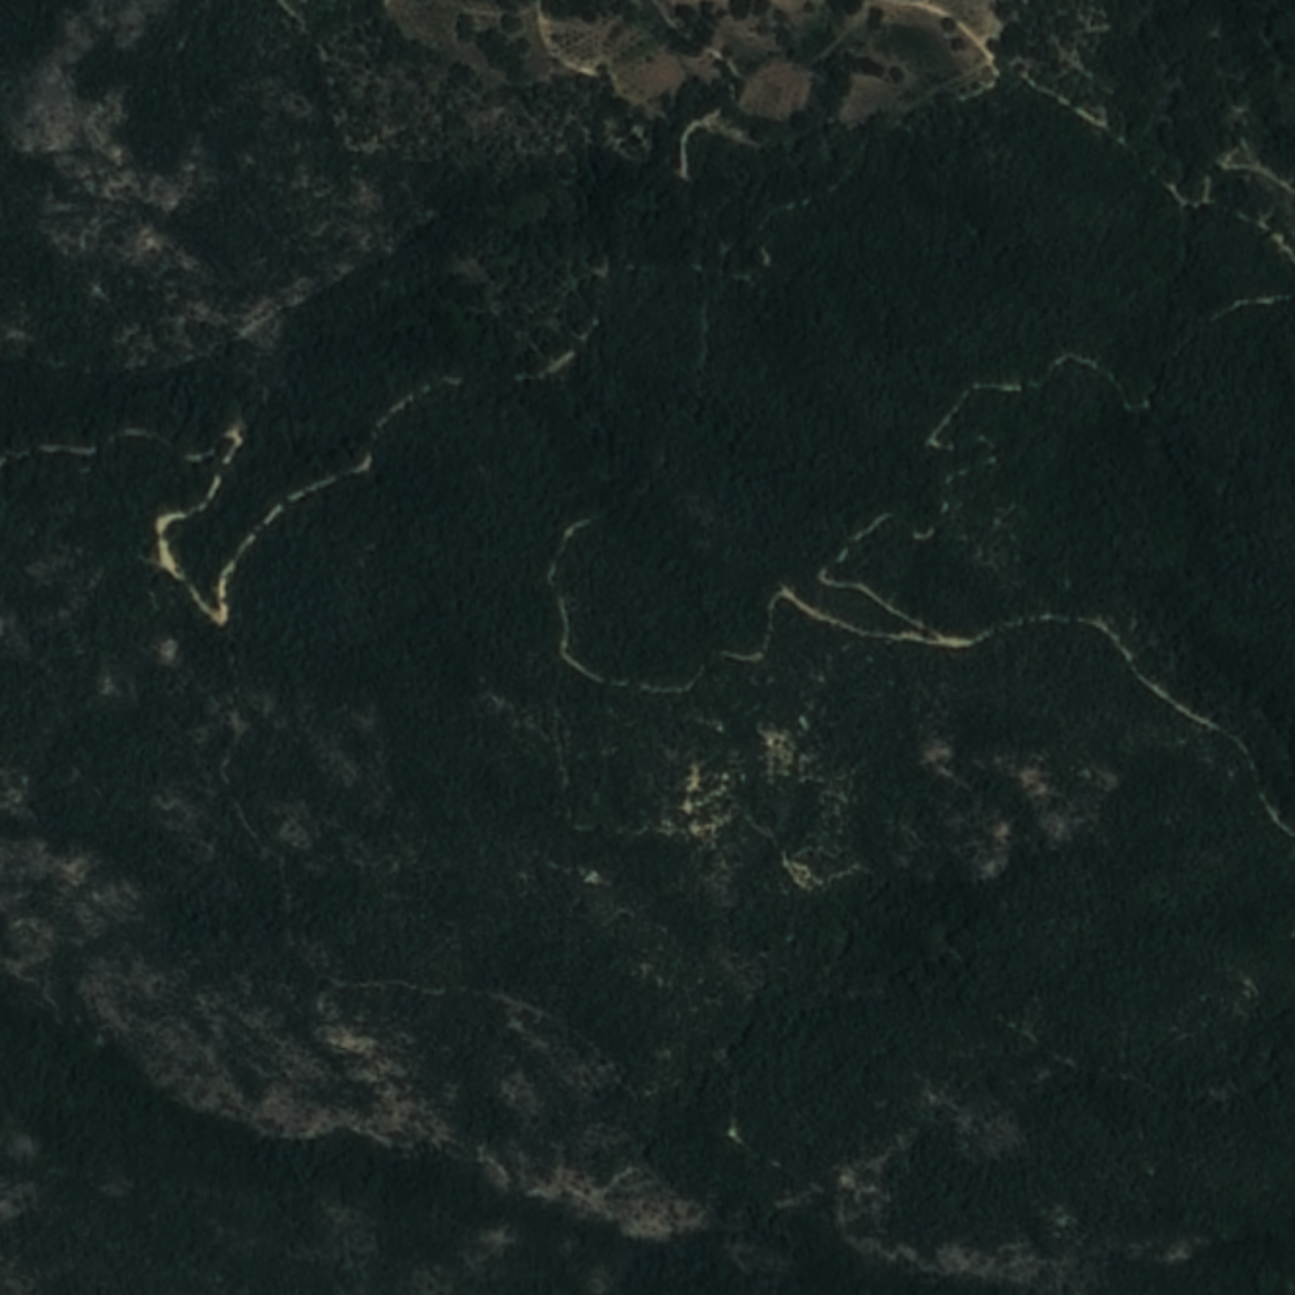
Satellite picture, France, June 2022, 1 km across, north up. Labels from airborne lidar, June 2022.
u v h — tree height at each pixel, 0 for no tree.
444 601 9
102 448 11
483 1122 5
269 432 9
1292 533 6
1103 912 9
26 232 9
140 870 8
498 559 9
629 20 9
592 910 12
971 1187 9
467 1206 7
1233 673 10
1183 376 11
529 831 11
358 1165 12
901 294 10
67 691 7
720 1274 13
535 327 8
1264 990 10
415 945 10
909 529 10
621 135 7
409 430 8
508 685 7
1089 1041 9
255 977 5
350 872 7
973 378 7
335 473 8
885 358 8
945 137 11
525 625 7
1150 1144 7
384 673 6
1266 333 11
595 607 8
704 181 8
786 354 9
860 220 7
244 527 6
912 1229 7
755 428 11
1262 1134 8
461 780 10
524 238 12
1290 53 12
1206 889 10
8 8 9
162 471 10
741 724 6
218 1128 9
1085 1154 8
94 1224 9
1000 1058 6
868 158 11
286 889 7
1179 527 8
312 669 7
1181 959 8
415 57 9
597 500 11
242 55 6
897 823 7
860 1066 8
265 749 5
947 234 6
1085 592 8
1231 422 8
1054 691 9
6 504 9
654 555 6
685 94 11
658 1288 6
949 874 8
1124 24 8
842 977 6
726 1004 9
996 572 8
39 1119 8
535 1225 6
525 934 7
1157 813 9
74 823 7
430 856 9
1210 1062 10
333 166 6
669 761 7
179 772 6
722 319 8
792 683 6
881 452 10
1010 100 11
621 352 10
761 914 8
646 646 7
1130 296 8
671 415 12
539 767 7
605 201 13
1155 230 10
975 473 10
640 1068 7
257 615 8
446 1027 8
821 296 11
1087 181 8
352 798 6
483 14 0
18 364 9
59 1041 9
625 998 8
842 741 9
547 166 12
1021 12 7
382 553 7
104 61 7
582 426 7
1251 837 9
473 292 8
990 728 8
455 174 9
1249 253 12
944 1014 7
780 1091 12
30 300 8
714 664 9
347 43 11
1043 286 10
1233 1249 10
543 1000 9
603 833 14
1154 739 8
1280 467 8
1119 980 9
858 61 9
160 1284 6
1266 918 9
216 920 9
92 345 9
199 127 5
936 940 11
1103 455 11
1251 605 9
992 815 5
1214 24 7
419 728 7
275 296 7
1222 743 8
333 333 8
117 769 7
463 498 8
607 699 7
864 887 8
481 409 13
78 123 0
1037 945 8
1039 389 9
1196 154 12
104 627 8
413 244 11
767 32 9
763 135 10
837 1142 9
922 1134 6
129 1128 11
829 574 7
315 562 6
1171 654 8
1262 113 12
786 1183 8
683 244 11
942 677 5
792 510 8
